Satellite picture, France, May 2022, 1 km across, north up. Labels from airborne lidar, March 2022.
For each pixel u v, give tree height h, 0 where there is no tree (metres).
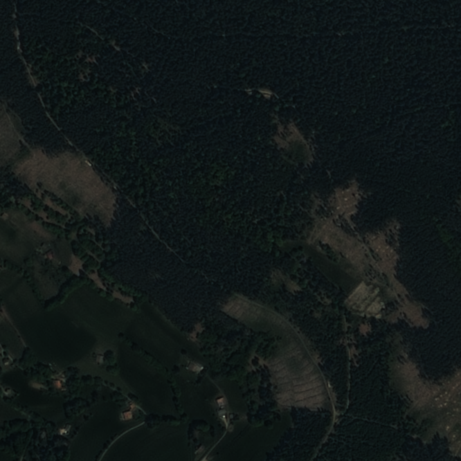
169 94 25
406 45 24
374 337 16
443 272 18
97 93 20
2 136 0
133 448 0
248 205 23
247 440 0
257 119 24
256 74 27
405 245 21
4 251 0
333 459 8
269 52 27
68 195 0
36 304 0
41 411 0
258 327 0
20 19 23
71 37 12
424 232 15
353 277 0
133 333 0
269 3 26
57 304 12
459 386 0
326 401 0
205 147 22
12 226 0
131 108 21
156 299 24
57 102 14
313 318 7
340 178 19
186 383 0
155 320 0
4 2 27
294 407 0
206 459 0
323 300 10
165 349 0
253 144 12
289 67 17
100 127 9
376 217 20
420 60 27
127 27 25
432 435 0
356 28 15
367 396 8
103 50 10
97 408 0
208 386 0
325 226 0
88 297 0
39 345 0
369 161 18
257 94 20
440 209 22
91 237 18
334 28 24
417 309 0
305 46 27
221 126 26
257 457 0
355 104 27
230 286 25
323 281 16
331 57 23
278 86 22
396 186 14
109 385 8
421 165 18
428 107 26
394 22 10
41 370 20
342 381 10
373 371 9
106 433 0
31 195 15
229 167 23
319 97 24
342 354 11
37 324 0
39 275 0
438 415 0
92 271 10
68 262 0
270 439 0
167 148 23
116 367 16
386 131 23
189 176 15
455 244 11
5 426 8
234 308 0
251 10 15
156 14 33
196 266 27
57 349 0
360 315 0
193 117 25
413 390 0
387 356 24
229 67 28
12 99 25
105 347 0
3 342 0
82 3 20
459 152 21
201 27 26
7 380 0
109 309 0
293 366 0
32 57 24
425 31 21
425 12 32
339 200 0
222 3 28
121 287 14
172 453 0
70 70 9
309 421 15
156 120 8
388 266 0
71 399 7
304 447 14
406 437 8
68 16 21
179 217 20
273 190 6
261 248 24
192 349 0
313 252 0
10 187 19
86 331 0
